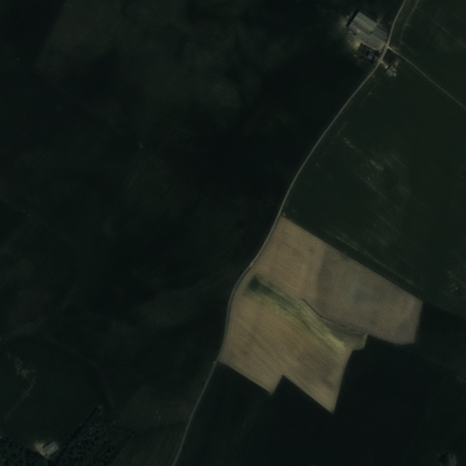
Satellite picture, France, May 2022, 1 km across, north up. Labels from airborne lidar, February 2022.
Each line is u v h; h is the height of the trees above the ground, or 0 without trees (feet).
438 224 0
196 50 0
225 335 0
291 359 0
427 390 0
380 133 0
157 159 0
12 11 0
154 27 0
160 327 0
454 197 0
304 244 0
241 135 0
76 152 0
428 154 0
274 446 0
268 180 0
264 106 0
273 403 0
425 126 0
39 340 0
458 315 0
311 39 0
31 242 0
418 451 0
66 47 0
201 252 0
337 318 0
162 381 0
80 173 0
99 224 0
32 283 0
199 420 0
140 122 0
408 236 0
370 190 0
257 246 0
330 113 0
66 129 0
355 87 0
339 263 0
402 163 0
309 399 0
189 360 0
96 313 0
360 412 0
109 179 0
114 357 0
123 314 0
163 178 0
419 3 0
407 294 0
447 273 0
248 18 0
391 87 0
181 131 0
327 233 0
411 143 0
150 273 0
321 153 0
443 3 0
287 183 0
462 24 0
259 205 0
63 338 0
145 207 0
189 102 0
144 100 0
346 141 0
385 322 0
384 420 0
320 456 0
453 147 0
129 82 0
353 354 0
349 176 0
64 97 0
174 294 0
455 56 0
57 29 0
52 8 0
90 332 0
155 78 0
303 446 0
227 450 0
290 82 0
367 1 0
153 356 0
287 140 0
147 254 0
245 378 0
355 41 0
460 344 0
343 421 0
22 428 0
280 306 0
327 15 0
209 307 0
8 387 0
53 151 0
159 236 0
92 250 0
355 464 0
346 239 0
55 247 0
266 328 0
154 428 0
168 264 0
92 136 0
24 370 0
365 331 0
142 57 0
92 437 30
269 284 0
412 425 0
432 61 0
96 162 0
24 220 0
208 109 0
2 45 0
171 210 0
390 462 0
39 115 0
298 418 0
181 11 0
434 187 0
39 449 0
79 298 0
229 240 0
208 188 0
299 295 0
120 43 0
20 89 0
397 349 0
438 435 0
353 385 0
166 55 0
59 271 0
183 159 0
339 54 0
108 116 0
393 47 0
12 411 0
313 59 0
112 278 0
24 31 0
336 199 0
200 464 0
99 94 0
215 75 0
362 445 0
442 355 0
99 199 0
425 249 0
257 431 0
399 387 0
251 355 0
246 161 0
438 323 0
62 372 0
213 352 0
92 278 0
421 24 0
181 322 0
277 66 0
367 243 0
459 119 0
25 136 0
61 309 0
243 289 0
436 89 0
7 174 0
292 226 0
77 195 0
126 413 0
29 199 0
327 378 0
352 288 0
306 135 0
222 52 0
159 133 0
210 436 0
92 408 0
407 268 0
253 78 0
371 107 0
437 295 0
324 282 0
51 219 0
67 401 0
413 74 0
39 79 0
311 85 0
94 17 0
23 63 0
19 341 0
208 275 0
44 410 0
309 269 0
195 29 0
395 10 0
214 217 0
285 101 0
